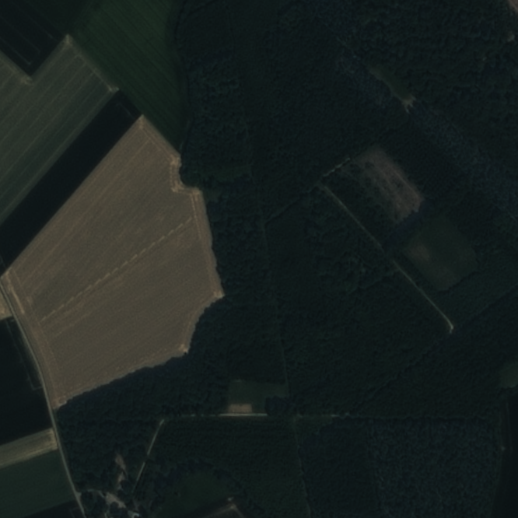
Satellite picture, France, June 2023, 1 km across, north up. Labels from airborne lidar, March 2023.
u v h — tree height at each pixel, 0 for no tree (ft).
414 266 25
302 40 66
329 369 60
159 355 0
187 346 0
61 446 0
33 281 0
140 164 0
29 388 0
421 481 73
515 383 0
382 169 0
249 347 30
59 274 0
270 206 34
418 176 50
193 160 75
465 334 70
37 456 0
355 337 51
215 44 24
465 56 90
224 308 60
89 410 66
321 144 57
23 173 0
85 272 0
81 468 75
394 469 73
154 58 0
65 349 0
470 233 35
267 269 84
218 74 91
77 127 0
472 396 62
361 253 33
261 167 24
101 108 0
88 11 0
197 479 0
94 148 0
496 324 54
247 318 92
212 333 54
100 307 0
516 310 61
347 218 22
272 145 29
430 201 83
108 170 0
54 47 0
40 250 0
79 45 0
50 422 0
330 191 0
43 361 0
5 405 0
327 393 57
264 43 36
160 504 45
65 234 0
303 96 63
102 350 0
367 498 69
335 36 51
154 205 0
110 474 70
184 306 0
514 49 21
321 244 99
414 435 70
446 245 0
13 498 0
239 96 78
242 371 22
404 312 50
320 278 49
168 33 0
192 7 28
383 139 42
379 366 46
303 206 41
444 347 62
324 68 64
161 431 0
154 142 0
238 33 24
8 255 0
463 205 37
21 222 0
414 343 52
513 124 88
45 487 0
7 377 0
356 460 70
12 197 0
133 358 0
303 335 59
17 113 0
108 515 0
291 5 68
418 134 45
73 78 0
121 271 0
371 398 52
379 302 54
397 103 80
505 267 34
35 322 0
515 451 0
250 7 28
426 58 88
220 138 97
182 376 77
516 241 77
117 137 0
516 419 0
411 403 60
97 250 0
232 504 0
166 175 0
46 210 0
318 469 57
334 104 63
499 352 65
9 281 0
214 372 81
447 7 44
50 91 0
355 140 55
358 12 62
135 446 95
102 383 0
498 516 0
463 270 0
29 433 0
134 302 0
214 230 33
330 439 71
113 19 0
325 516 72
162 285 0
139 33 0
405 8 52
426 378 63
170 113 0
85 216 0
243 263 91
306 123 56
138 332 0
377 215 32
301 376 30
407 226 80
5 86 0
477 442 69
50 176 0
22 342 0
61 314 0
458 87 72
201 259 0
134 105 0
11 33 0
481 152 117
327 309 41
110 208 0
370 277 62
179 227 0
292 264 28
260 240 84
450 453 64
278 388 0
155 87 0
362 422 50
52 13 0
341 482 73
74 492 0
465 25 92
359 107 58
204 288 0
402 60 94
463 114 97
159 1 0
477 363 64
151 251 0
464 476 73
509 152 84
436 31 49
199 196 0
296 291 29
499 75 100
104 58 0
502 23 42
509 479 0
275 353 24
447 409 50
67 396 0
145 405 73
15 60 0
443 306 31
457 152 118
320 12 75
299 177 28
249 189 85
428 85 69
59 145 0
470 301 23
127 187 0
